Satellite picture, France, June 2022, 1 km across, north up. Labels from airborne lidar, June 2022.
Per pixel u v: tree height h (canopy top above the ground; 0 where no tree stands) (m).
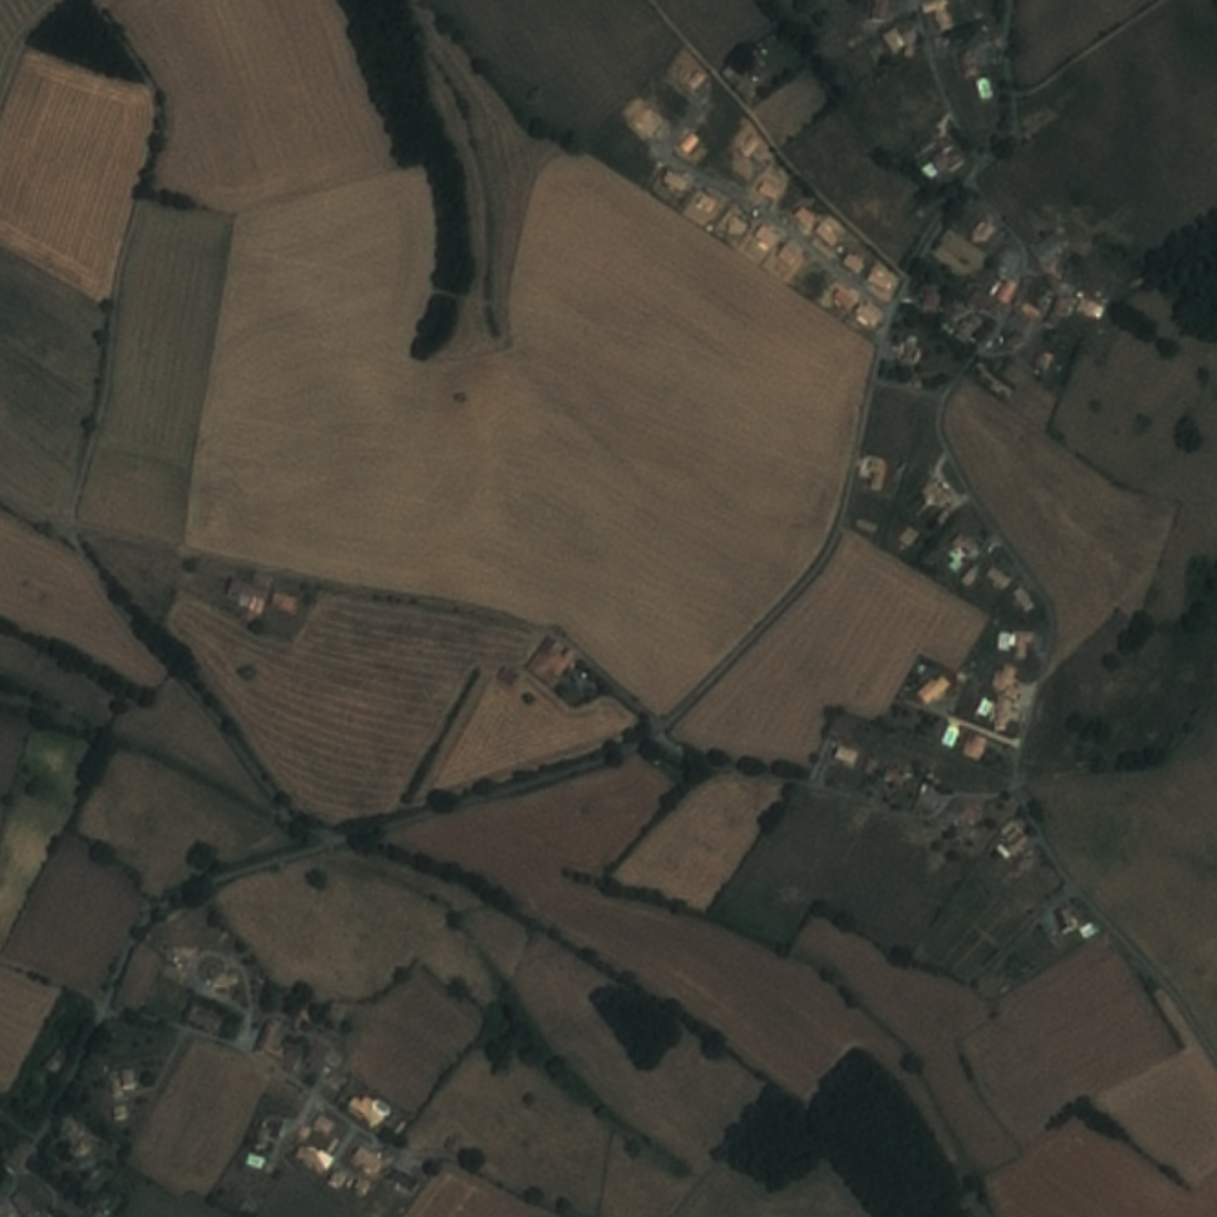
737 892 0
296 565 0
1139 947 0
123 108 0
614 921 0
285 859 0
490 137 0
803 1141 18
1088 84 0
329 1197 0
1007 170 0
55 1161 10
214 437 0
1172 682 0
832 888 0
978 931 0
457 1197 0
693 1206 0
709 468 0
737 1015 0
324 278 0
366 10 16
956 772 0
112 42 15
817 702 0
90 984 0
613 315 0
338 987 0
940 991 0
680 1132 0
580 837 0
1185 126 0
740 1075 0
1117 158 0
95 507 0
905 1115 17
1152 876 0
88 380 0
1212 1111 0
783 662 0
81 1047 15
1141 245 0
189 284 0
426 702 0
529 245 0
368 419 0
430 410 0
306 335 0
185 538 0
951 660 0
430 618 0
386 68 15
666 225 0
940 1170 17
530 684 0
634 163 0
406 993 0
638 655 0
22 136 0
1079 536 0
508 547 0
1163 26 0
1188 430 15
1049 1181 0
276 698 0
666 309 0
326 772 0
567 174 0
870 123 0
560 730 0
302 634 0
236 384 0
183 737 0
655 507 0
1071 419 0
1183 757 0
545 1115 0
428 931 0
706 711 0
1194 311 20
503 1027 9
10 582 0
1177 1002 0
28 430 0
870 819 0
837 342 0
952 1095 0
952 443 0
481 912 0
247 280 0
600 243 0
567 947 6
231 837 0
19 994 0
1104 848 0
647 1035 18
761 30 0
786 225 0
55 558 0
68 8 12
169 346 0
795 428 0
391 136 9
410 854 10
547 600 0
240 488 0
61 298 0
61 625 0
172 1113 0
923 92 0
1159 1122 0
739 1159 19
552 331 0
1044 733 0
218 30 0
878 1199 18
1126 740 0
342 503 0
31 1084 7
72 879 0
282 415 0
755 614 0
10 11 0
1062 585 0
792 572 0
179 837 0
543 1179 0
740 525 0
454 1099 0
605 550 0
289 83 0
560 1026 0
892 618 0
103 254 0
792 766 11
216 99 0
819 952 0
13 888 0
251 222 0
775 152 9
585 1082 0
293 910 0
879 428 0
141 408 0
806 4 11
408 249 0
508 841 0
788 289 0
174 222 0
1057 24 0
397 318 0
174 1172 0
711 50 0
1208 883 0
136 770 0
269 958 0
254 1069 0
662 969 0
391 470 0
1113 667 13
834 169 0
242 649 0
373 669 0
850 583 0
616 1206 0
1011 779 0
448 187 12
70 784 0
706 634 0
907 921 0
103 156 0
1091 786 0
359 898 0
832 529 0
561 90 0
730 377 0
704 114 0
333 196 0
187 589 0
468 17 0
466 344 0
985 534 7
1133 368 0
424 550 0
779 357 0
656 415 0
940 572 7
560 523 0
